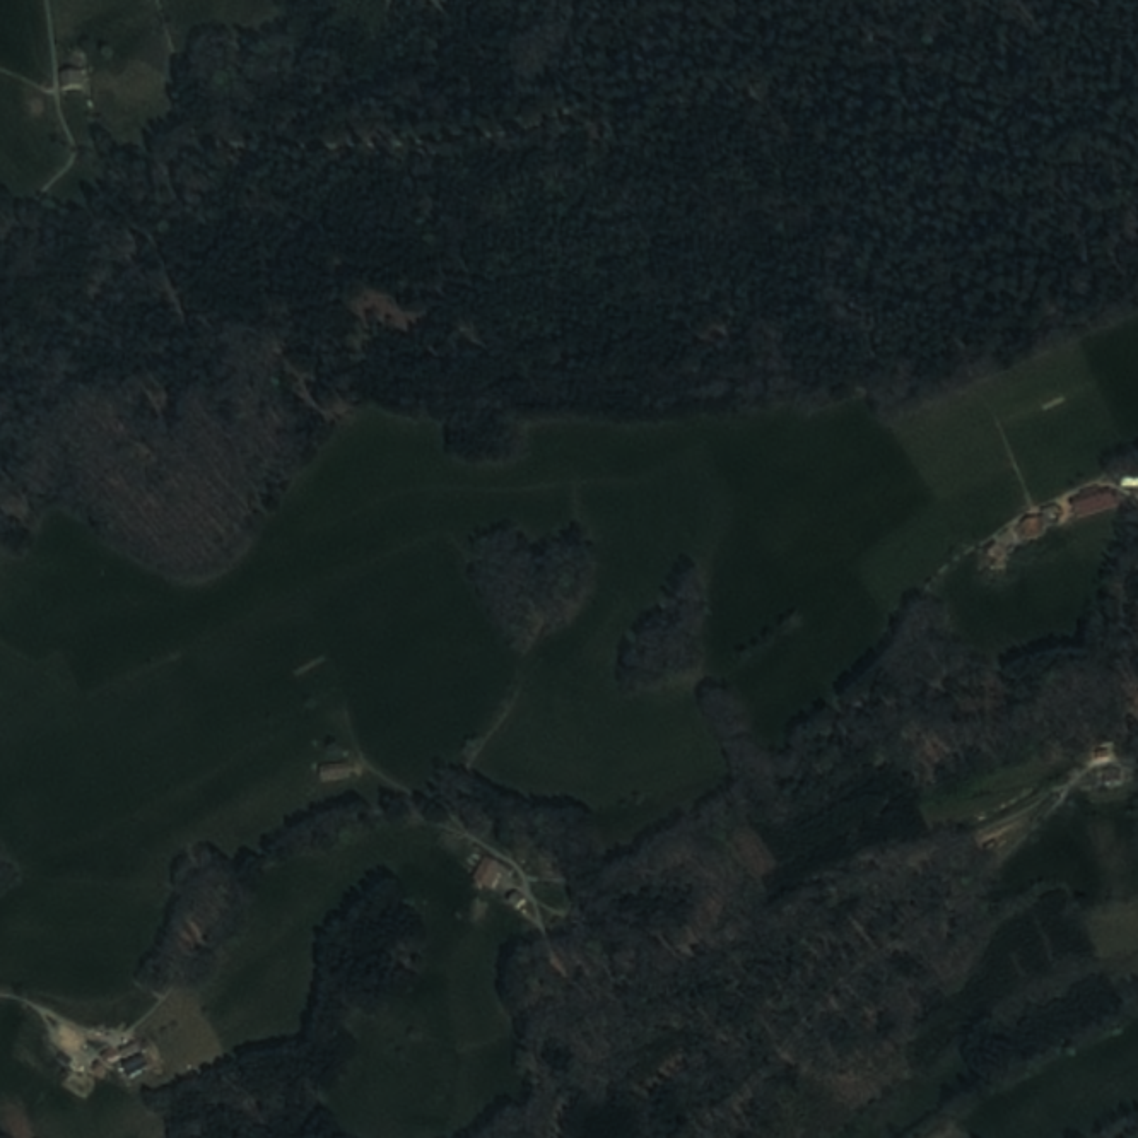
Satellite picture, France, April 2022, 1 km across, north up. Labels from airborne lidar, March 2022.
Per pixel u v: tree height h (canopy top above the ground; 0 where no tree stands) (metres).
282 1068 29
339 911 0
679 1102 24
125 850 0
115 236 25
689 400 19
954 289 9
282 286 17
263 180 33
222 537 30
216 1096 27
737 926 30
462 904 0
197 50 18
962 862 32
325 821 26
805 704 0
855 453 0
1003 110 25
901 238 18
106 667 0
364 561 0
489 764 0
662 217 11
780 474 0
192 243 13
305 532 0
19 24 0
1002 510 0
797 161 16
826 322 29
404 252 19
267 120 26
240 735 0
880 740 29
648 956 26
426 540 0
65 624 0
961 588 0
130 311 23
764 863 15
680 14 34
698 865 28
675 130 18
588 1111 34
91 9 0
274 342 28
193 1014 0
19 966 0
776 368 29
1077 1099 0
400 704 0
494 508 0
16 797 0
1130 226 23
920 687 28
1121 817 0
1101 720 33
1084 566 0
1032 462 0
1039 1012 11
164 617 0
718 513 0
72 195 0
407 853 0
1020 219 29
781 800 25
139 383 21
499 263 10
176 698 0
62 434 26
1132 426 0
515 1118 25
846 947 33
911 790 13
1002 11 29
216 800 0
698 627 29
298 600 0
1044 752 19
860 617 0
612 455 0
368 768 0
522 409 20
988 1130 0
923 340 26
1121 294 12
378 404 8
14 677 0
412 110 21
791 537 0
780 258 16
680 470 0
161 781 0
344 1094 0
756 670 0
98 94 0
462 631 0
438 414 18
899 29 20
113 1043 0
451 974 0
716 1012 28
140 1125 0
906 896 34
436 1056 0
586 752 0
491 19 18
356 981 26
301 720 0
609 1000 27
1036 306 17
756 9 36
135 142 0
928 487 0
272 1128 21
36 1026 0
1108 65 30
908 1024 36
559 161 10
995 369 30
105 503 29
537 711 0
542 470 0
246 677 0
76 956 0
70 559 0
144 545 29
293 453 29
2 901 16
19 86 0
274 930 0
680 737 0
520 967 26
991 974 7
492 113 9
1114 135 35
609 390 18
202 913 28
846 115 14
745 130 18
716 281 19
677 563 0
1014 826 0
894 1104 18
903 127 35
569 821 26
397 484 0
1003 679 15
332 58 27
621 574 0
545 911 0
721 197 15
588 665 0
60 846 0
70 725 0
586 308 18
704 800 0
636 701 15
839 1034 34
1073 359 0
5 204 21
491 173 15
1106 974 9
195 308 20
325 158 23
